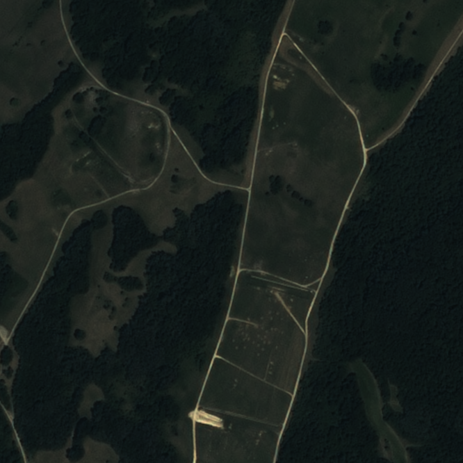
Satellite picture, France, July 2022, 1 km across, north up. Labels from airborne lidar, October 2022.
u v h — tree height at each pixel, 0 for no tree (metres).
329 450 16
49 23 0
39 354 17
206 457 0
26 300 0
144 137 0
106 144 0
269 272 0
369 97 0
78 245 24
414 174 8
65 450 0
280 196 0
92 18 14
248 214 0
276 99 0
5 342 0
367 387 0
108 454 0
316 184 0
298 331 0
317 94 0
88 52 15
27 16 0
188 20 7
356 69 0
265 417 0
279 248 0
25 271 0
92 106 0
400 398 7
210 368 0
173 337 15
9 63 0
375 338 18
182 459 0
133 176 0
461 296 24
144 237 14
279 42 0
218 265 20
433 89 6
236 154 15
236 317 0
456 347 25
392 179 9
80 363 23
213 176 0
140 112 0
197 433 0
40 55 0
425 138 16
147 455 23
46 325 24
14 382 10
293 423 6
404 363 21
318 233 0
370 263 8
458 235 22
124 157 0
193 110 6
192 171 0
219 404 0
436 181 13
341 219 0
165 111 0
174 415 10
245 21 6
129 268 0
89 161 0
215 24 21
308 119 0
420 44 0
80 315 0
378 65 6
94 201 0
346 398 19
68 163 0
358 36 0
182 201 0
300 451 15
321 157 0
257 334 0
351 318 22
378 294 27
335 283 9
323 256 0
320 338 7
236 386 0
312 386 14
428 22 0
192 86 10
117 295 0
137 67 14
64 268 22
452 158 15
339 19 0
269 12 12
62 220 0
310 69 0
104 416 17
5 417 9
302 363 0
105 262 0
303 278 0
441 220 18
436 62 0
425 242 29
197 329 15
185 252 19
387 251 18
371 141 0
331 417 9
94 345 0
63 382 12
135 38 16
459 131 16
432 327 22
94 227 11
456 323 21
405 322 28
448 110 10
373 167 7
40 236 0
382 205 12
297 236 0
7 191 17
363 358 8
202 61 12
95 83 0
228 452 0
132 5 15
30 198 0
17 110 0
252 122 7
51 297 16
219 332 0
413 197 10
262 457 0
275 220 0
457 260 27
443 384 23
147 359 19
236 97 13
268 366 0
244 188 0
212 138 26
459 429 25
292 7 0
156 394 13
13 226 0
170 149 0
